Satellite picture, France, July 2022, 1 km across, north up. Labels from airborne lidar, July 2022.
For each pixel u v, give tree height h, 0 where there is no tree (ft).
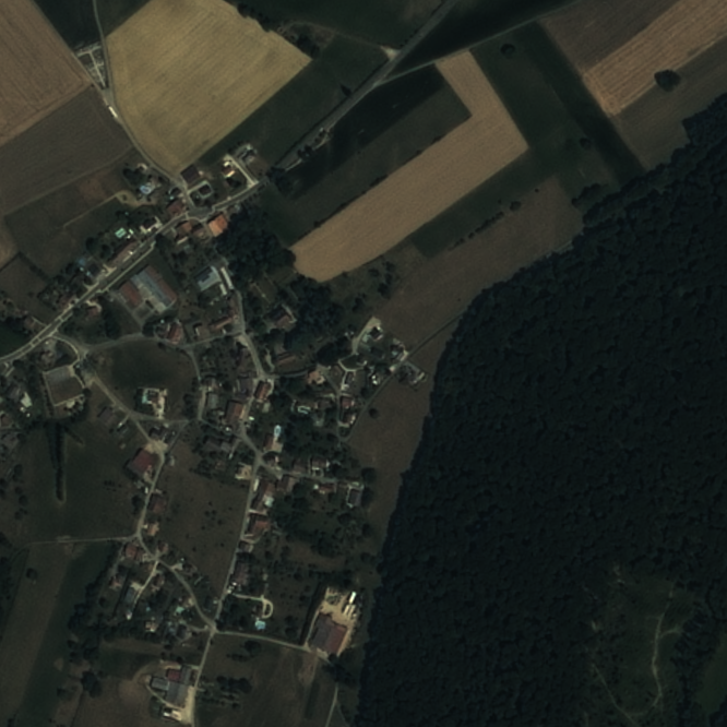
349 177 0
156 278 0
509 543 95
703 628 106
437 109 0
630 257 89
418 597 64
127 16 0
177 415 0
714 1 0
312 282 26
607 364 89
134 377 0
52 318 0
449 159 0
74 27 0
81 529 0
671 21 0
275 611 0
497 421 87
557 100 0
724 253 111
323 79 0
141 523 0
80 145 0
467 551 87
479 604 92
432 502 68
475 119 0
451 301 0
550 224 0
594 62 0
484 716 92
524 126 0
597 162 0
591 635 78
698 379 98
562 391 101
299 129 0
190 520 0
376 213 0
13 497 0
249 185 0
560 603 94
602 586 91
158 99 0
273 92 0
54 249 0
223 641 0
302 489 52
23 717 0
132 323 0
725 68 0
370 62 0
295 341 94
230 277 0
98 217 0
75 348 0
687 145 0
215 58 0
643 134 0
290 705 0
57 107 0
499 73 0
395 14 0
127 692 0
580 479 86
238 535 0
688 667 105
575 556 83
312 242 0
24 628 0
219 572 0
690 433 85
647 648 0
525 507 97
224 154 0
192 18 0
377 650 72
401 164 0
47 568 0
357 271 0
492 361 81
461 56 0
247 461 27
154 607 44
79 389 0
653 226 92
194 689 0
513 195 0
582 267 83
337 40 0
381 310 0
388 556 56
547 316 87
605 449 90
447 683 78
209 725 0
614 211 52
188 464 0
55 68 0
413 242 0
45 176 0
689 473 75
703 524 95
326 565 0
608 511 85
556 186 0
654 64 0
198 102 0
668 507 72
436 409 52
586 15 0
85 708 0
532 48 0
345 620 0
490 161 0
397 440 0
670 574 103
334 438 53
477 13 0
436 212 0
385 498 0
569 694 78
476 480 99
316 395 22
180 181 0
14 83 0
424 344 0
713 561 83
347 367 0
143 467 0
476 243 0
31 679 0
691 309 84
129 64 0
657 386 83
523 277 55
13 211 0
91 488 0
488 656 76
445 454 86
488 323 66
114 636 26
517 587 94
